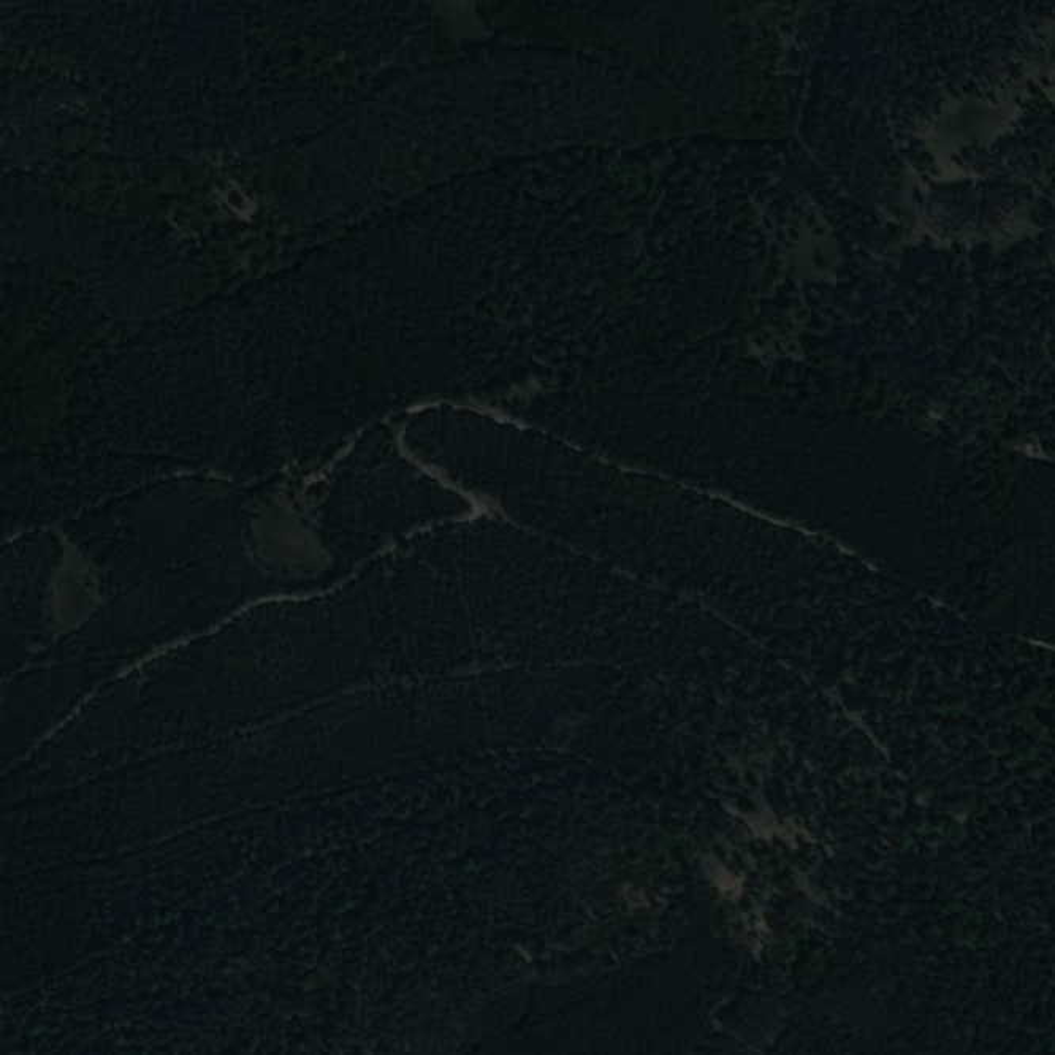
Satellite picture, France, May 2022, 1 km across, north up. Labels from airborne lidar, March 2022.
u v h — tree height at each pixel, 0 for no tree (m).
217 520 12
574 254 34
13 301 18
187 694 12
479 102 27
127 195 17
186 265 25
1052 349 7
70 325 17
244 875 9
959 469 16
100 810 12
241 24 31
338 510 15
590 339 31
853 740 10
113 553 14
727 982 19
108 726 11
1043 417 19
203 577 10
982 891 26
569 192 28
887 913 29
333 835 27
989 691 36
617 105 29
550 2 21
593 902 23
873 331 29
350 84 16
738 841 27
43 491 19
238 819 8
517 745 9
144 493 10
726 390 17
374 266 25
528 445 11
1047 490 16
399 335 17
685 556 12
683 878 7
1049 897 17
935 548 22
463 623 9
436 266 23
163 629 11
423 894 27
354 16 33
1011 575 11
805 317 15
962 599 16
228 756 6
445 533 9
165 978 24
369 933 27
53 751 14
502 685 5
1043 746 26
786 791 16
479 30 0
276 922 29
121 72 27
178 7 26
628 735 10
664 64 18
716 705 32
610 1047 23
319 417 20
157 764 9
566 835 31
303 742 6
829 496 16
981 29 27
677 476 14
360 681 10
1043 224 30
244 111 27
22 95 32
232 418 22
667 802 26
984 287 25
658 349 15
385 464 7
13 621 8
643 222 29
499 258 28
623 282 25
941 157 0
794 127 20
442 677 6
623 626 7
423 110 28
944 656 39
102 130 21
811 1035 20
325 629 7
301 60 26
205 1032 28
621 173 31
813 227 8
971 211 30
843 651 32
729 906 13
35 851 19
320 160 26
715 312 25
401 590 8
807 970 21
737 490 14
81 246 29
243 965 25
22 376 20
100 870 12
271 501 6
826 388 26
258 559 9
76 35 29
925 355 28
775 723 35
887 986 21
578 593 9
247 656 7
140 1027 22
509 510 11
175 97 28
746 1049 20
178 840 7
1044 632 15
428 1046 21
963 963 31
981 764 36
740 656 36
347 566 11
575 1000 17
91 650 11
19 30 25
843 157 25
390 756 8
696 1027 25
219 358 25
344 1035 25
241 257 27
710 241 31
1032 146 27
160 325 24
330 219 27
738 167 32
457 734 8
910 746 12
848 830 14
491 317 8
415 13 26
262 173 20
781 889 30
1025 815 16
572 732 29
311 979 22
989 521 18
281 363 25
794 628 13
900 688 31
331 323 25
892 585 33
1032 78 0
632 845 31
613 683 14
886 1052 22
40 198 25
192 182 23
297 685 7
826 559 9
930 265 29
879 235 26
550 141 25
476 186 20
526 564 6
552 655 11
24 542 9
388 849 30
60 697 7
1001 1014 27
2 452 13
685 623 9
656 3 23
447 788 21
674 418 19
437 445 8
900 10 29
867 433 19
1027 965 29
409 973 23
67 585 0
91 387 18
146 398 24
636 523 10
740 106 17
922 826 32
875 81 23
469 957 19
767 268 8
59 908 18
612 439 18
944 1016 24
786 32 28
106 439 21
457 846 32
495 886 28
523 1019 17
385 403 17
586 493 8
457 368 17
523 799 25
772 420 12
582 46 16
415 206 21
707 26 22
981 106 0
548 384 13
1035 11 23
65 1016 15
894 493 19
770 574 12
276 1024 25
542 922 25
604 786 28
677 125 22
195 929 15
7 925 17
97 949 28
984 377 27
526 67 24
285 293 26
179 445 24
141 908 9
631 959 14
